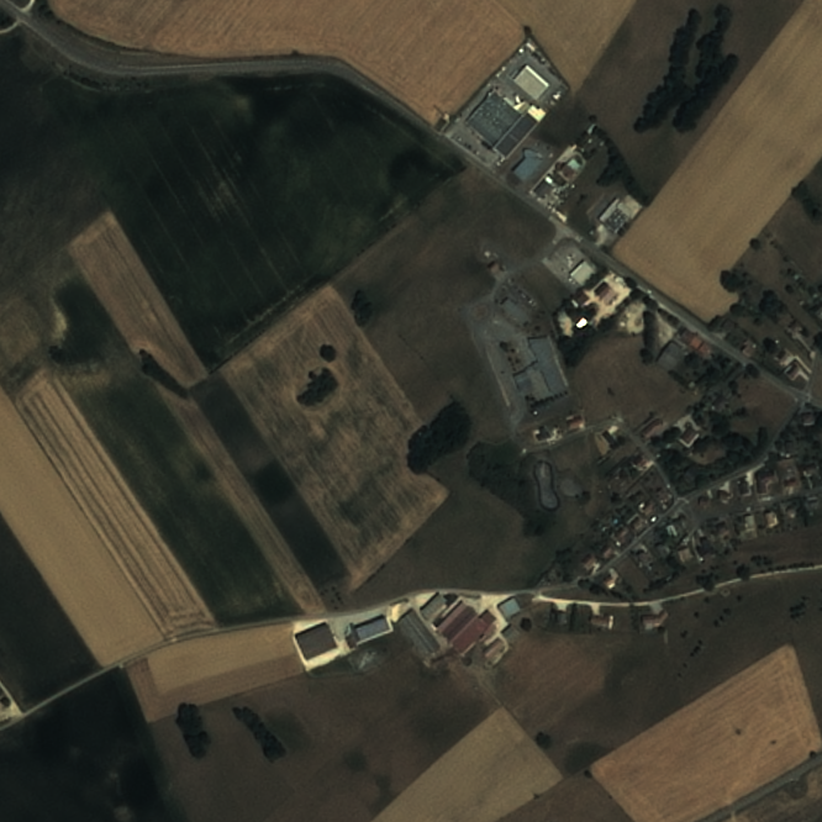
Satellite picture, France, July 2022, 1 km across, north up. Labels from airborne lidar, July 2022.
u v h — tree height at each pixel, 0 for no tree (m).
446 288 0
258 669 0
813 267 0
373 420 0
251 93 0
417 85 0
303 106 0
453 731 0
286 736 0
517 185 0
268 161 0
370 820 0
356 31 0
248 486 0
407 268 0
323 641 0
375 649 0
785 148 0
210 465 0
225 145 0
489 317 0
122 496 0
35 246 0
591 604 0
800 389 0
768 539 0
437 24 0
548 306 0
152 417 0
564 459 0
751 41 0
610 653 0
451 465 0
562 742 0
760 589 0
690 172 0
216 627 0
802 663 0
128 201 0
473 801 0
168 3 0
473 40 0
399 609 0
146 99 0
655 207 0
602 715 0
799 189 8
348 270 0
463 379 0
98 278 0
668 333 0
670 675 0
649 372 0
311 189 0
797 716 0
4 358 0
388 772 0
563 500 0
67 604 0
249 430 0
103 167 0
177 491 0
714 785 0
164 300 0
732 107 0
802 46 0
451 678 0
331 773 0
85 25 0
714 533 8
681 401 0
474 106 0
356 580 0
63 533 0
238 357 0
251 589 0
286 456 0
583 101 0
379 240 0
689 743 0
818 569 0
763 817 0
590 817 0
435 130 0
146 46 0
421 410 0
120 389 0
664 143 0
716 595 0
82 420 0
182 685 0
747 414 16
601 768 0
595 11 0
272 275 0
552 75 0
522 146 0
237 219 0
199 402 0
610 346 0
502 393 0
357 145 0
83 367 0
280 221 0
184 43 0
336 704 0
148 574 0
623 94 0
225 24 0
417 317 0
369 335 0
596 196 0
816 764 0
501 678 0
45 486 0
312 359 0
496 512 0
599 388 0
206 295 0
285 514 0
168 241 0
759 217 0
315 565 0
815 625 0
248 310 0
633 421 0
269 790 0
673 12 0
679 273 0
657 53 0
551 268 0
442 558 0
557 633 0
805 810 0
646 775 0
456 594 0
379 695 0
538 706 0
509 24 0
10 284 0
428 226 0
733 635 0
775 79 0
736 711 0
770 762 0
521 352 0
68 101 0
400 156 0
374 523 0
